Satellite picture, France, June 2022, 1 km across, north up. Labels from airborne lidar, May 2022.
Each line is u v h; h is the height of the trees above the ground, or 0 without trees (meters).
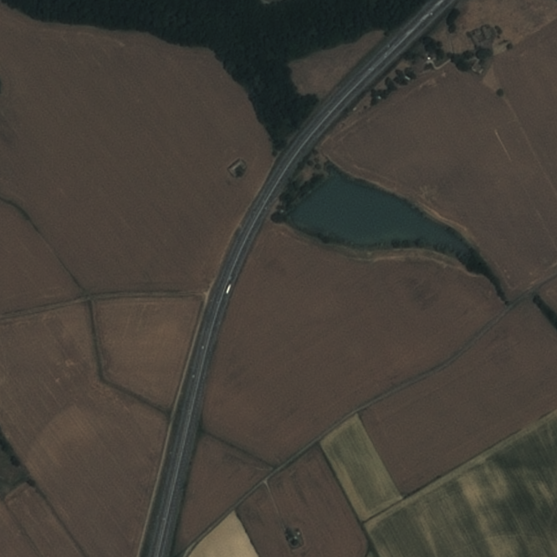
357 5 20
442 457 0
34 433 0
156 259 0
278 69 20
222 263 0
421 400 0
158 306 0
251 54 18
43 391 0
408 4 23
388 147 0
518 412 0
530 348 0
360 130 0
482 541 0
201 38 19
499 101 0
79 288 0
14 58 0
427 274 0
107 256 0
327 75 0
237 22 20
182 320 0
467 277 0
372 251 0
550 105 0
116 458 0
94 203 0
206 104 0
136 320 0
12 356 0
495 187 0
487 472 0
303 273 0
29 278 0
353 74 0
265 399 0
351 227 0
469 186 0
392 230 0
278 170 0
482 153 0
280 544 0
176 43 13
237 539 0
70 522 0
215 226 0
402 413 0
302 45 11
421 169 0
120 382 0
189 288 0
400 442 0
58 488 0
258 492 0
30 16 14
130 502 0
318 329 0
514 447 0
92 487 0
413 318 0
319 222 0
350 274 0
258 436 0
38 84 0
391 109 0
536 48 0
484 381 0
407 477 0
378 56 0
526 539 0
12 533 0
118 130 0
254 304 0
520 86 0
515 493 0
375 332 0
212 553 0
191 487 0
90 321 0
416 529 0
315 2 13
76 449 0
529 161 0
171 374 0
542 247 0
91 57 0
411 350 0
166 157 0
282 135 0
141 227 0
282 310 0
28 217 0
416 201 0
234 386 0
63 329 0
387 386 0
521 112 0
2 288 0
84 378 0
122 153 0
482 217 0
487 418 0
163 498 0
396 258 0
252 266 0
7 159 0
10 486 0
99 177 0
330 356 0
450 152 0
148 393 0
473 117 0
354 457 0
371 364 0
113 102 0
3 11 0
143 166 0
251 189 0
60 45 0
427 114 0
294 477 0
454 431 0
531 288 0
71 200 0
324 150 0
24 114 0
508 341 0
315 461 0
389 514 0
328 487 0
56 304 0
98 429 0
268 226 0
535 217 0
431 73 0
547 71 0
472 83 0
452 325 0
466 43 0
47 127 0
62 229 0
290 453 0
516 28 0
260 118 14
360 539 0
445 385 0
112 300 0
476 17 0
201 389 0
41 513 0
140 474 0
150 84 0
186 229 0
